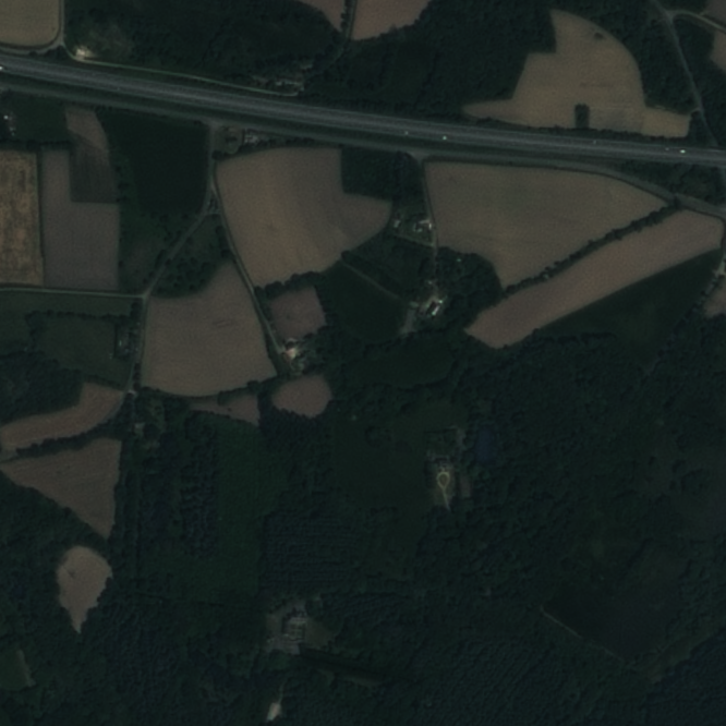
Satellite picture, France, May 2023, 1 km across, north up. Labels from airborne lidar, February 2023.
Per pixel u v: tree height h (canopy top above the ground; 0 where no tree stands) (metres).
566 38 0
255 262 0
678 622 7
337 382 7
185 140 0
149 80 0
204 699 12
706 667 24
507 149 0
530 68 0
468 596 18
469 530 18
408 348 14
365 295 0
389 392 16
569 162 0
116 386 8
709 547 9
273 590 22
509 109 0
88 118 0
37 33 0
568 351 22
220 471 15
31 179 0
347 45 22
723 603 10
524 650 17
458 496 9
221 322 0
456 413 0
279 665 18
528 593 19
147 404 12
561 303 0
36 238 0
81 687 12
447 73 10
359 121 0
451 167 0
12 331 0
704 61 16
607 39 0
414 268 0
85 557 0
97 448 0
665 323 0
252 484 15
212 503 12
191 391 0
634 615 0
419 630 14
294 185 0
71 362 0
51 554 12
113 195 0
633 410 20
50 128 0
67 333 0
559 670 13
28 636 10
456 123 11
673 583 0
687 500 0
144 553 17
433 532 10
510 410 19
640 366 11
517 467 17
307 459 15
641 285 0
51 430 0
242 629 16
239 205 0
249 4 7
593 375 16
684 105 12
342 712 17
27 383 10
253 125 0
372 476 0
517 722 21
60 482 0
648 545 13
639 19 17
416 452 0
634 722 14
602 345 19
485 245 0
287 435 29
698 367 9
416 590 17
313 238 0
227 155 7
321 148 0
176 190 0
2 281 0
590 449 21
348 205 0
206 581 14
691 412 0
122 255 0
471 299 11
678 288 0
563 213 0
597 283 0
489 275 7
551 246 0
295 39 0
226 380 0
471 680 19
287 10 13
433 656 20
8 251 0
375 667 11
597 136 8
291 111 0
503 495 19
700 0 13
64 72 0
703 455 0
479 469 13
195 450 14
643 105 0
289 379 8
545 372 19
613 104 0
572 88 0
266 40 0
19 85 0
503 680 21
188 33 0
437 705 18
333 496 18
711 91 11
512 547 25
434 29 17
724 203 14
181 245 0
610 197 0
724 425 0
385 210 0
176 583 15
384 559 0
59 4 0
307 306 0
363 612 20
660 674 0
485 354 8
